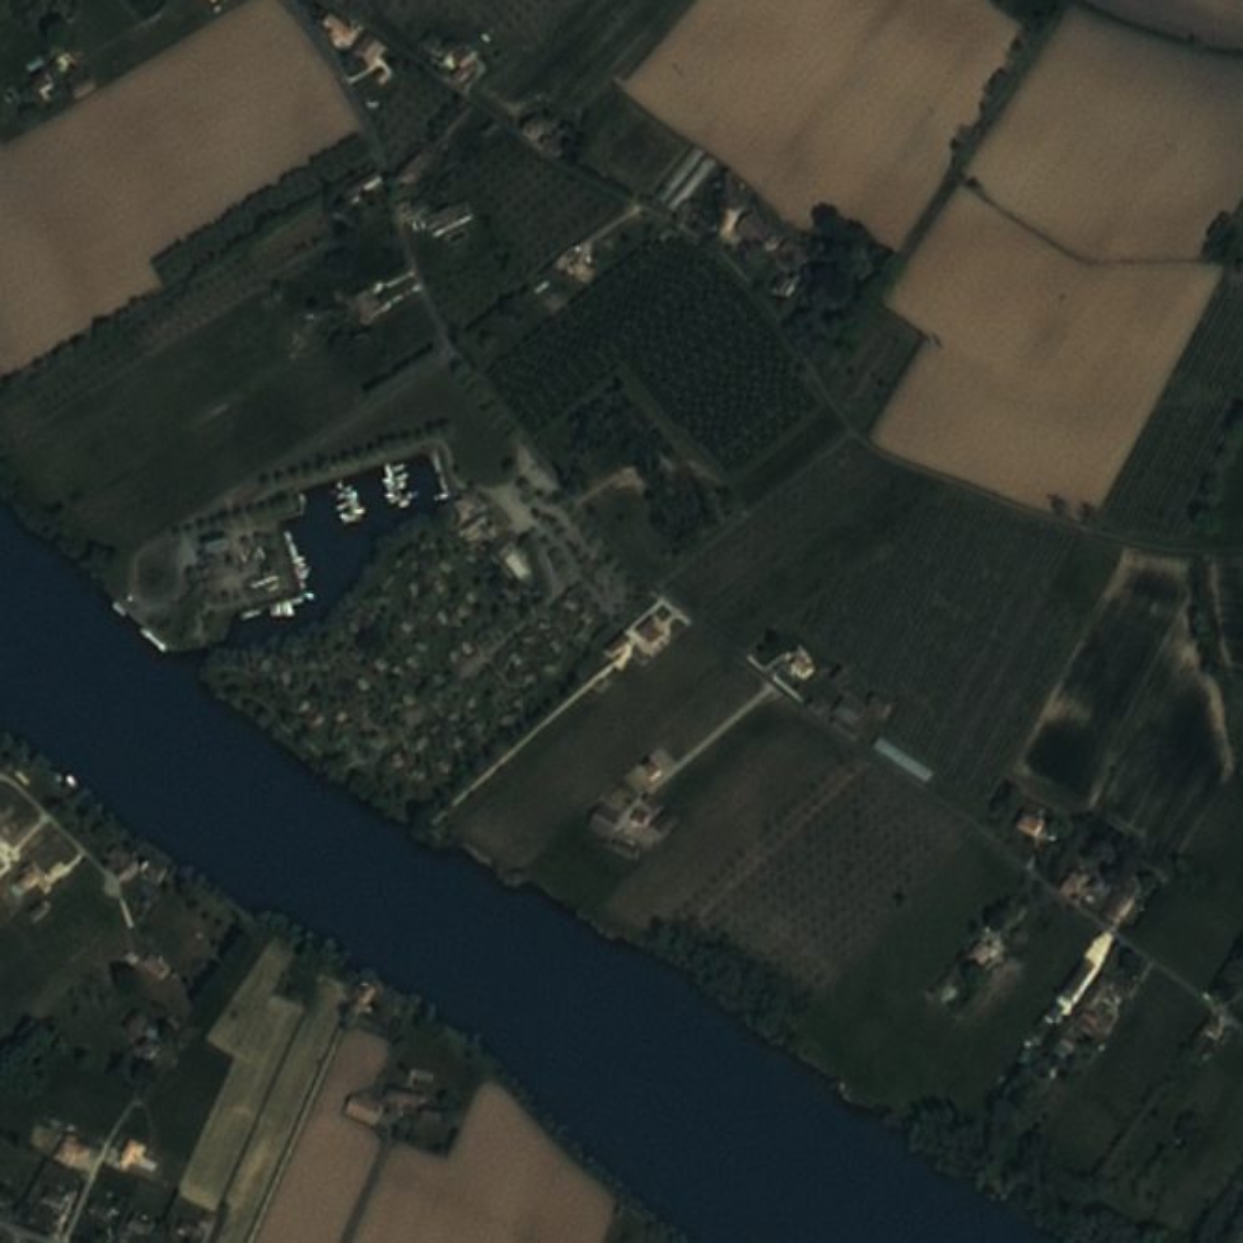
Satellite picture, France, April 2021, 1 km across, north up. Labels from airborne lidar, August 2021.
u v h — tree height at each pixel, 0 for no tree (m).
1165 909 0
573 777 0
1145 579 0
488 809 0
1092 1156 0
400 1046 8
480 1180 0
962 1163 10
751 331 6
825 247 9
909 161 0
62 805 13
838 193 0
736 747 0
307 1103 0
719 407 7
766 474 0
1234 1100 0
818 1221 0
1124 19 0
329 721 7
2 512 0
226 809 0
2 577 0
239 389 0
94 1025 0
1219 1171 0
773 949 8
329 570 0
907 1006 0
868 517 0
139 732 0
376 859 0
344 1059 0
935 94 0
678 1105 0
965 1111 0
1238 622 0
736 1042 0
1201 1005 0
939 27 0
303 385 0
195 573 10
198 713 0
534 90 0
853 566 0
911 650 6
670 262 6
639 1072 0
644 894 0
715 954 19
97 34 0
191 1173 0
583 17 0
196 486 0
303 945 13
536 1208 0
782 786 0
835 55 0
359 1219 0
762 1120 0
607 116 0
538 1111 7
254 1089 0
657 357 6
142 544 0
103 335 14
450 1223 0
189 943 0
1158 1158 8
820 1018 0
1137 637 0
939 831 8
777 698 0
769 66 0
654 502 15
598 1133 0
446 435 14
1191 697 0
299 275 0
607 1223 0
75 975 0
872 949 0
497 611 9
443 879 0
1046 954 0
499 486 0
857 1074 0
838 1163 0
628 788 0
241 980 0
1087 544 0
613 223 0
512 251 10
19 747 11
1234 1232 16
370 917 0
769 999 18
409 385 0
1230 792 0
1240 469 0
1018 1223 0
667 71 0
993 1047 0
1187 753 0
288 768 0
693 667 0
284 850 0
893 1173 0
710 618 0
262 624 0
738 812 0
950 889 0
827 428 0
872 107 0
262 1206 0
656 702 0
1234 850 0
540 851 0
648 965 0
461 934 0
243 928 14
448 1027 9
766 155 0
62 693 0
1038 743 0
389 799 6
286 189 11
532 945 0
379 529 0
